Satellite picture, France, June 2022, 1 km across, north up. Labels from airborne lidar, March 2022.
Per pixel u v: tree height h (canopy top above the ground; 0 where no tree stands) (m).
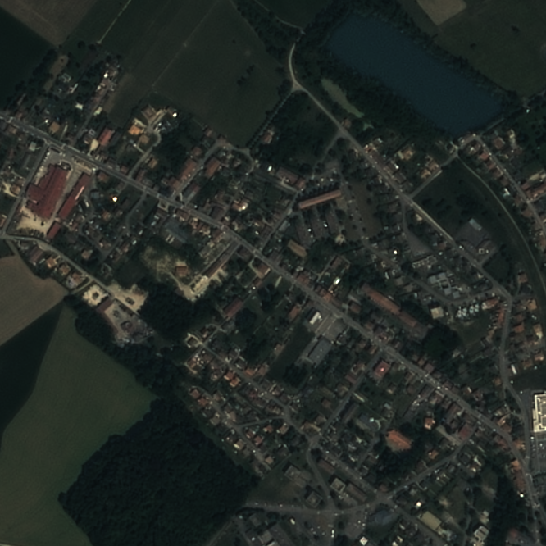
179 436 30
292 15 0
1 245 0
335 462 0
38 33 0
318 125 0
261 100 0
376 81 7
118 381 0
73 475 0
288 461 0
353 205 0
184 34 0
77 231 0
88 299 0
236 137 0
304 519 0
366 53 0
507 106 17
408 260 0
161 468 24
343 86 11
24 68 0
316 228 0
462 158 6
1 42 0
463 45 0
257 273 0
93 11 0
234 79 0
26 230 0
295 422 0
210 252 0
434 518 0
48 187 0
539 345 0
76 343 0
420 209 0
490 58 0
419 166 0
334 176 7
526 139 17
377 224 0
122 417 0
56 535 0
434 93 0
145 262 0
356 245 9
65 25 0
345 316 0
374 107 10
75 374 0
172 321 19
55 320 0
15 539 0
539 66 0
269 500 0
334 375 0
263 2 0
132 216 0
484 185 0
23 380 0
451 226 0
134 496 25
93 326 19
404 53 0
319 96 0
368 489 0
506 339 0
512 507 21
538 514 8
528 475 0
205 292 0
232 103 0
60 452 0
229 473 29
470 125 0
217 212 0
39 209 0
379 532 0
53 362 0
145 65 0
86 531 12
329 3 0
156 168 0
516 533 0
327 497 0
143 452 21
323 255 0
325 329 0
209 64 0
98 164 0
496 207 0
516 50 0
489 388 0
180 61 0
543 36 0
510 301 0
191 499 25
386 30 0
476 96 0
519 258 0
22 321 0
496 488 0
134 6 0
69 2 0
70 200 0
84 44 13
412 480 0
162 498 23
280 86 0
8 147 0
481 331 0
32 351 0
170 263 0
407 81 0
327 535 0
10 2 0
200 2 0
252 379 0
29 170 0
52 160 0
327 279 0
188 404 0
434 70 0
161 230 0
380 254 0
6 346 0
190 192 0
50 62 15
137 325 0
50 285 0
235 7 0
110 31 0
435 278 0
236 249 0
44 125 0
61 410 0
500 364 0
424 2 0
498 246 0
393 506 0
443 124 0
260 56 0
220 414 0
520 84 0
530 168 0
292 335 0
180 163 9
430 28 0
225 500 25
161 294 18
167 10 0
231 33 0
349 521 0
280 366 0
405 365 0
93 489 21
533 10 0
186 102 0
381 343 0
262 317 0
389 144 0
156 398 0
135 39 0
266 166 0
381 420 0
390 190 8
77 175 0
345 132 0
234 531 0
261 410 0
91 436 0
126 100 0
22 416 0
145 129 0
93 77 15
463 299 0
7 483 0
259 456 0
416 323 0
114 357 9
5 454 0
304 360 0
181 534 6
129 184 0
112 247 0
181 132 8
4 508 0
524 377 0
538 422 0
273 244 0
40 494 0
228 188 0
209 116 0
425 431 16
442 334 15
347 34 0
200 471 23
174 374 23
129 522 9
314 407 0
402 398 0
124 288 0
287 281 0
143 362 11
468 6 0
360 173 7
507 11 0
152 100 0
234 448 0
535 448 0
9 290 0
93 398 0
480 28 0
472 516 12
